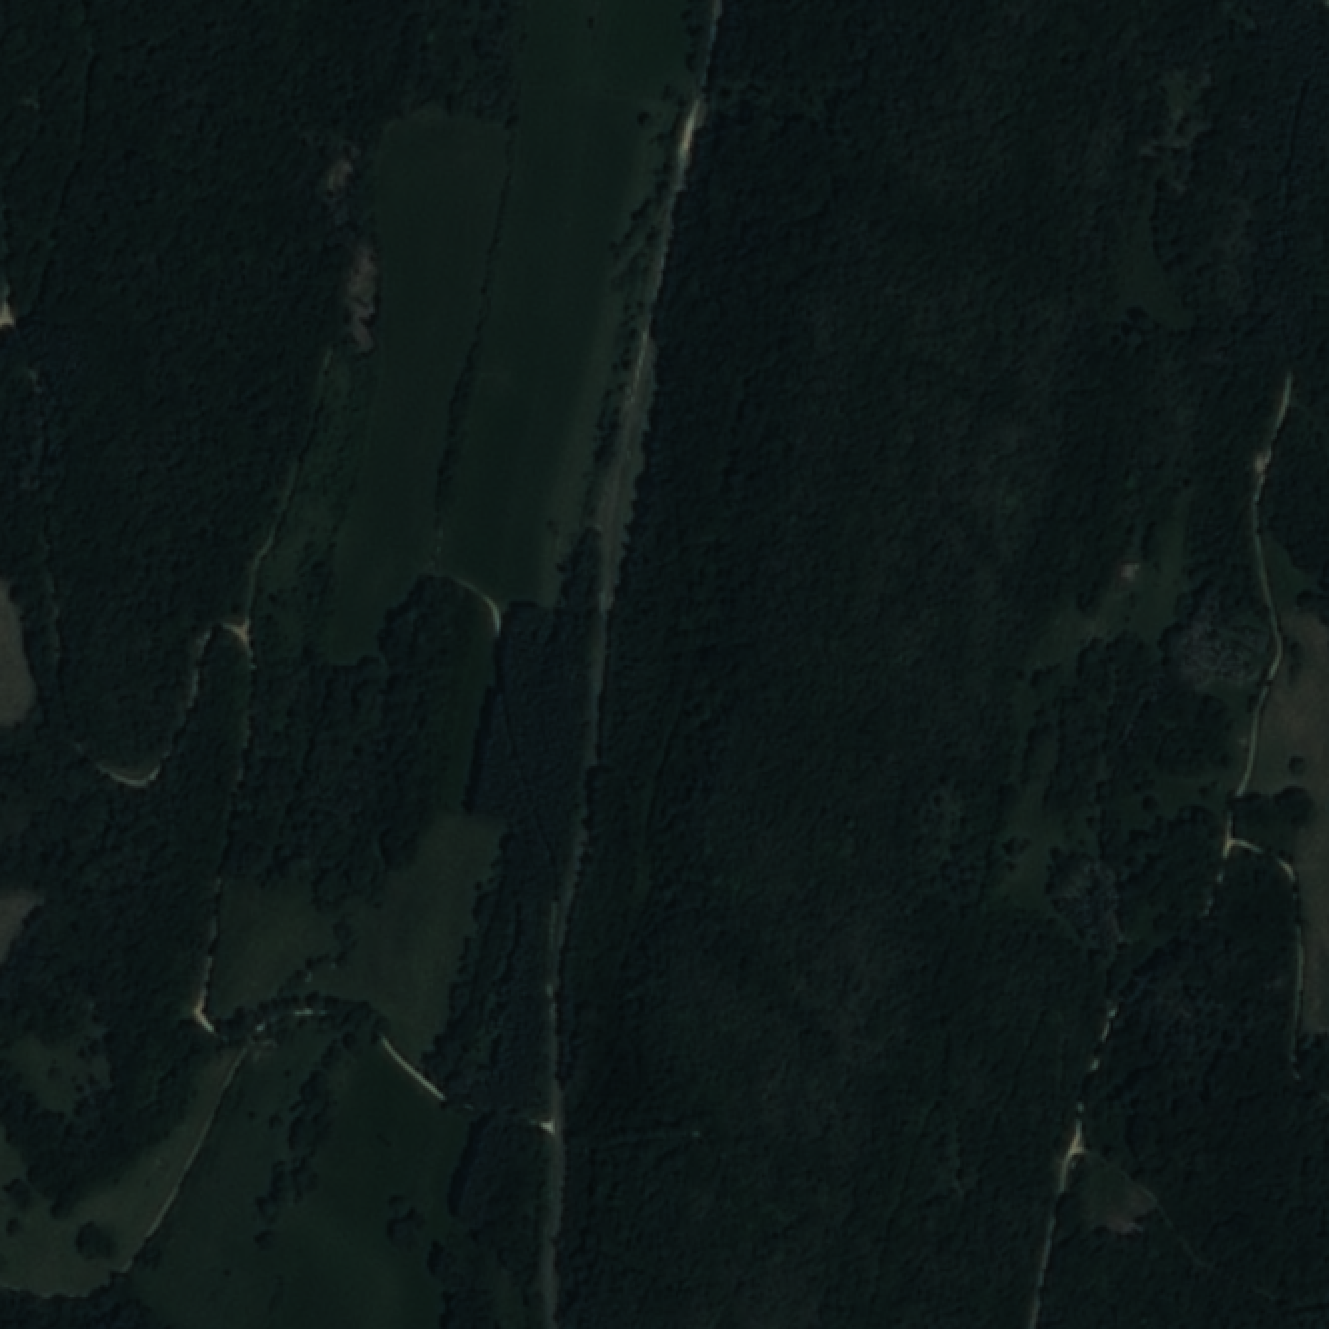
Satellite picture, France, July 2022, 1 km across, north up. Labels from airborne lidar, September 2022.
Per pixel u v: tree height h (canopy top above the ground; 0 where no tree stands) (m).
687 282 24
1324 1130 17
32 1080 0
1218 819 22
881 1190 15
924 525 12
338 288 18
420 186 0
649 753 11
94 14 16
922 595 12
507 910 14
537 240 0
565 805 25
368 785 21
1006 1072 13
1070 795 8
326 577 17
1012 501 7
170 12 19
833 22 21
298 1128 10
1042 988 10
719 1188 9
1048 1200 9
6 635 0
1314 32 23
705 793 11
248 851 26
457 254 0
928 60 14
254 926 0
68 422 20
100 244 23
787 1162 14
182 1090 15
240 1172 0
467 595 7
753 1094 9
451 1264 24
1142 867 17
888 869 13
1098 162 5
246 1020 20
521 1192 14
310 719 12
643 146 0
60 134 14
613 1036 7
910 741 11
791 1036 7
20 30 14
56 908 7
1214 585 21
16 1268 0
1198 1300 10
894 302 11
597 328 0
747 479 19
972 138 9
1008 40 9
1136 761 20
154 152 20
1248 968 12
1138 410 15
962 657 9
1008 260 18
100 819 26
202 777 16
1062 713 7
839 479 9
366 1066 0
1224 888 16
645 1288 14
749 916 9
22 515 15
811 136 23
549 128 0
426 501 0
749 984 14
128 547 12
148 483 14
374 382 6
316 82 17
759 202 16
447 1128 0
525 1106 25
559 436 0
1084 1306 12
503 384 0
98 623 10
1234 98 19
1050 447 10
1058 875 18
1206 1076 15
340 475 8
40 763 7
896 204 13
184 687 15
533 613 16
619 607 7
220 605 18
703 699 19
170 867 15
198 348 11
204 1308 0
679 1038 7
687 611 18
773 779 11
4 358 22
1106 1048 14
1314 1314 15
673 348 17
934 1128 8
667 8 0
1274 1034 12
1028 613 13
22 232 15
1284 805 16
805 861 7
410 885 0
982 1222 13
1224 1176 16
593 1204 10
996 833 15
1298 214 18
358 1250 0
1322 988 0
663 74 0
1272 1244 19
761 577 15
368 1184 0
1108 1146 7
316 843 16
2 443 12
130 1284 14
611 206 0
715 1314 10
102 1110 17
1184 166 15
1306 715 0
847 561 11
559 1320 12
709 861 8
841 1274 12
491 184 0
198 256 19
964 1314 14
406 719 18
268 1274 0
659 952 17
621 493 0
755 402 17
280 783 27
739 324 14
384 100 17
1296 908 10
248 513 15
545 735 20
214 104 14
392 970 0
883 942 7
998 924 15
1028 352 8
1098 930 23
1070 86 20
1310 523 17
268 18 21
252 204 19
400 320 0
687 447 17
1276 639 8
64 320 21
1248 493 7
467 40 6
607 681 6
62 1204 14
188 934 14
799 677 12
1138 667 17
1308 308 16
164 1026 23
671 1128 16
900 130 11
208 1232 0
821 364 10
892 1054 14
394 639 21
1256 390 18
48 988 16
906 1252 7
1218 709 17
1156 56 15
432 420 0
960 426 9
